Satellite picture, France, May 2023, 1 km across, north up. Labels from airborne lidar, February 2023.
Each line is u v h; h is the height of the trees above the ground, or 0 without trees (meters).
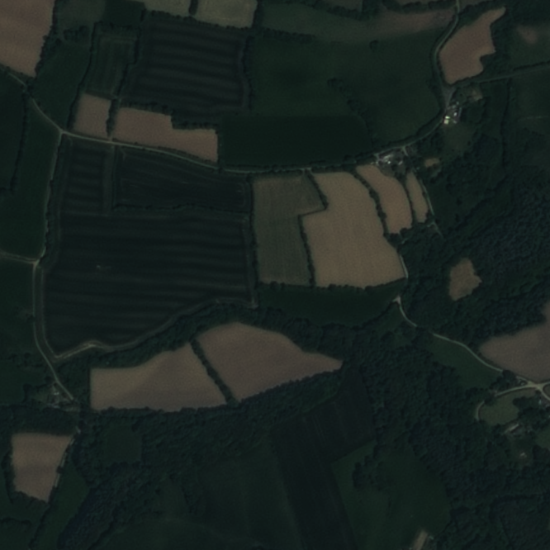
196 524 0
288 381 0
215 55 0
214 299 0
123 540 0
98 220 0
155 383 0
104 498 26
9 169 0
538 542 18
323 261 0
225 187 0
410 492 0
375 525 0
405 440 7
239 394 0
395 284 8
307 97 0
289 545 0
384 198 0
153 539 0
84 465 28
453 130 0
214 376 15
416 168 12
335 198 0
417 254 11
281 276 0
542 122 0
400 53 0
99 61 0
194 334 7
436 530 0
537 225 23
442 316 23
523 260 30
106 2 0
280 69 0
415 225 8
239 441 20
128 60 0
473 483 26
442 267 13
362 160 10
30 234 0
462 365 0
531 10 17
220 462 0
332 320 0
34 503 17
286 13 0
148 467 19
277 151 0
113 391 0
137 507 19
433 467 22
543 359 0
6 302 0
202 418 21
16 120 0
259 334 0
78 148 0
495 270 20
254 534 0
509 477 17
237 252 0
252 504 0
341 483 0
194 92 0
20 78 8
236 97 0
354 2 0
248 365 0
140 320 0
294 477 0
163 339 14
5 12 0
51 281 0
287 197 0
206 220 0
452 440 15
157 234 0
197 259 0
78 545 23
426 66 0
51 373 8
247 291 0
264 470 0
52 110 0
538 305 16
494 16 0
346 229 0
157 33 0
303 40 13
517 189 22
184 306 0
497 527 11
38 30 0
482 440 17
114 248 0
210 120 0
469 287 0
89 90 0
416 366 10
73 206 0
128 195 0
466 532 20
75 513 0
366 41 0
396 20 0
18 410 18
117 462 0
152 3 0
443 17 0
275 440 0
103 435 9
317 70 0
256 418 24
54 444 0
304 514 0
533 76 0
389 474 0
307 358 0
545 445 0
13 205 0
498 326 22
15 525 19
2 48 0
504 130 9
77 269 0
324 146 0
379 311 0
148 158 0
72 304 0
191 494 18
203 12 0
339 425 0
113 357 13
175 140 0
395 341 14
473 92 0
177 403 0
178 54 0
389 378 20
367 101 0
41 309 0
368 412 0
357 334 22
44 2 0
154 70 0
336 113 0
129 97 0
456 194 14
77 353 0
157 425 18
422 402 10
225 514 0
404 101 0
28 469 0
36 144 0
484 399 8
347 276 0
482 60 9
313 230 0
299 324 18
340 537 0
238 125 0
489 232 17
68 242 0
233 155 0
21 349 0
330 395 15
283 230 0
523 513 20
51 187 11
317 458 0
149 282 0
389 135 0
